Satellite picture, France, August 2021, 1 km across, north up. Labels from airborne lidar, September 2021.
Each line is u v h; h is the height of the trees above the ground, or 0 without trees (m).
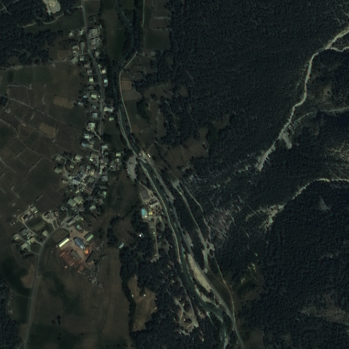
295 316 12
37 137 0
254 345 0
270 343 7
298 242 9
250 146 11
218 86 15
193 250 11
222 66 12
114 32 0
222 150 12
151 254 22
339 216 11
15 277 0
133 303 6
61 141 0
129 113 0
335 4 9
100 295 0
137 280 0
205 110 15
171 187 11
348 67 15
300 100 7
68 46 0
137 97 0
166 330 21
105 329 0
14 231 0
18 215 0
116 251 0
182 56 17
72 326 0
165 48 0
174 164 0
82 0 0
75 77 0
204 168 15
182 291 15
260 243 10
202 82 14
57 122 0
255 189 14
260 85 11
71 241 0
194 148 0
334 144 8
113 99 12
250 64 14
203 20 17
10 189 0
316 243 9
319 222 12
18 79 0
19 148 0
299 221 8
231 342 10
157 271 21
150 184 15
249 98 12
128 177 9
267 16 15
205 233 10
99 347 0
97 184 7
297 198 9
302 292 10
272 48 10
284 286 11
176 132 16
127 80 0
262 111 12
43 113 0
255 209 9
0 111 0
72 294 0
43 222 0
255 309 13
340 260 8
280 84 11
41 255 0
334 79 6
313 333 6
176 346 22
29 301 0
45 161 0
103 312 0
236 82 11
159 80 16
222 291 0
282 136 0
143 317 0
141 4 17
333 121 10
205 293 10
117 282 0
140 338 22
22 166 0
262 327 5
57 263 0
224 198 12
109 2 0
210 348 17
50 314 0
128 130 12
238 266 14
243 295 0
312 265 9
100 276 0
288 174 12
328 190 14
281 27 15
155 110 0
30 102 0
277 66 10
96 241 0
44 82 0
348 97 8
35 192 0
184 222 13
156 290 16
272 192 9
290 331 6
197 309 10
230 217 9
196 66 12
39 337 0
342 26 8
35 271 0
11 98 0
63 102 0
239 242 10
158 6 0
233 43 13
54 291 0
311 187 10
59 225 0
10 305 0
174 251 14
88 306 0
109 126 0
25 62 8
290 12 11
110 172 8
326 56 13
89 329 0
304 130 7
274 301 12
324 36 7
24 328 0
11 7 15
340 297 6
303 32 10
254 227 6
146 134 0
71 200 0
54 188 0
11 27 19
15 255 0
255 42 13
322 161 9
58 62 0
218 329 7
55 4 0
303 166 15
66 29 0
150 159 0
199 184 11
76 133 0
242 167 11
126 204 0
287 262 9
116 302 0
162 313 16
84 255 0
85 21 0
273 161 13
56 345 0
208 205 10
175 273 15
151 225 0
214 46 16
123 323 0
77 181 0
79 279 0
